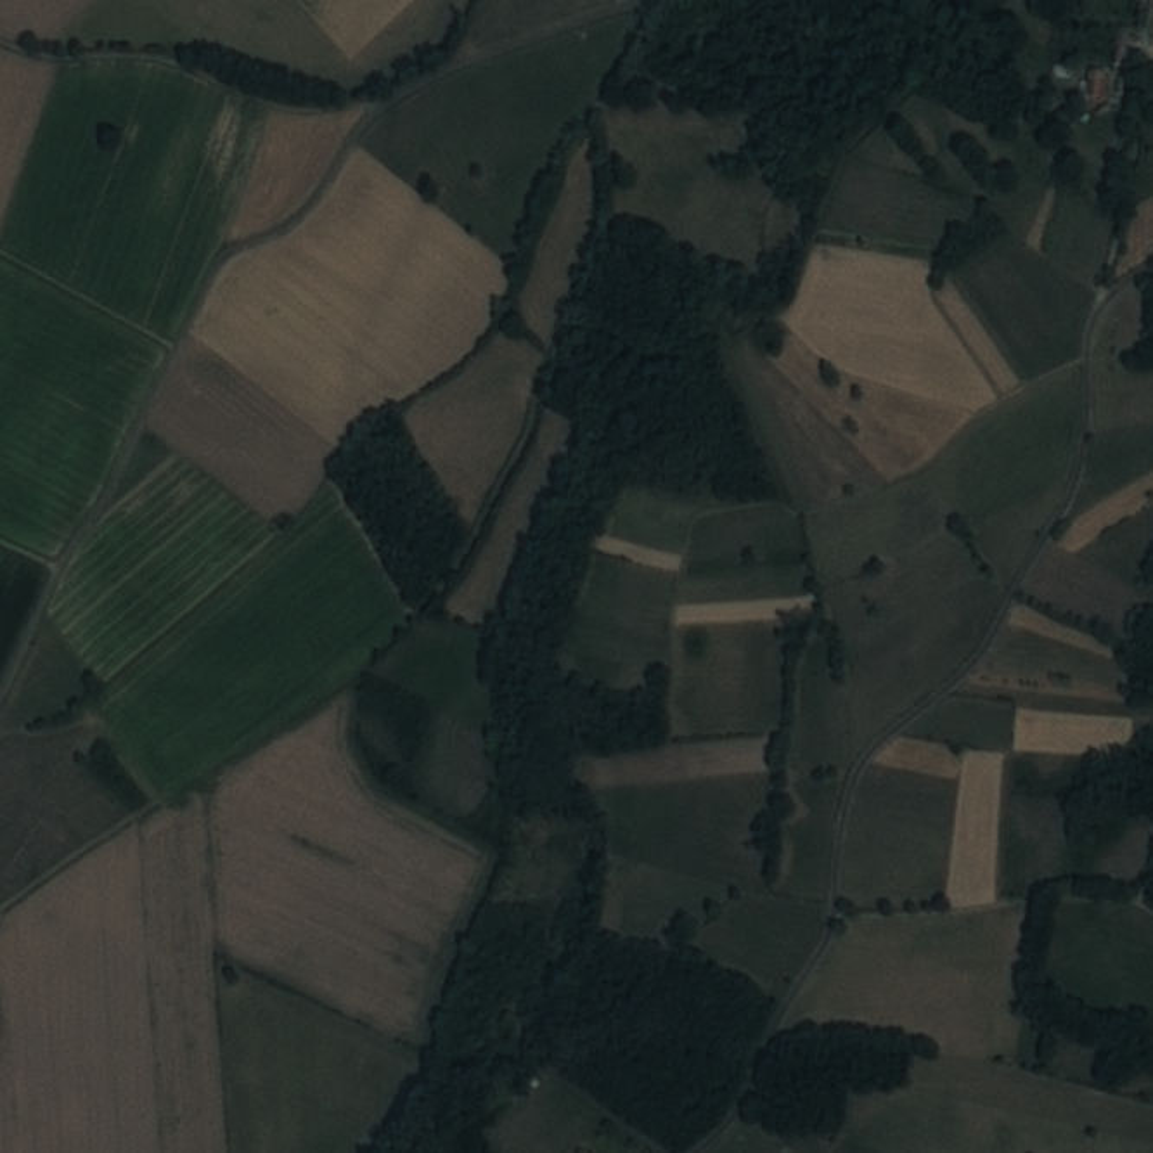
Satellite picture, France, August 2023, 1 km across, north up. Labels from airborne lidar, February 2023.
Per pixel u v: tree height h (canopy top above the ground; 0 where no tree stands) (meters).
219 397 0
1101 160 0
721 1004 17
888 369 0
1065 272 0
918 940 0
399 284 0
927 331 0
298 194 0
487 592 0
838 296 0
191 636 0
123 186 0
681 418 16
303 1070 0
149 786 0
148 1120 0
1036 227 0
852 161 0
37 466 0
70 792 0
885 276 0
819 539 0
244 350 0
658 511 0
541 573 19
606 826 18
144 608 0
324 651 0
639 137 0
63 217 0
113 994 0
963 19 24
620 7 0
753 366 0
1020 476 0
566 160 15
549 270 0
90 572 0
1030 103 18
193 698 0
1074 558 0
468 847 0
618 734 16
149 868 0
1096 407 0
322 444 0
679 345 16
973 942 0
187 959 0
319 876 0
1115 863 0
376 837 0
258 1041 0
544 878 0
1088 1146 0
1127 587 0
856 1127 0
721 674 0
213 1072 0
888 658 0
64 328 0
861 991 0
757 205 0
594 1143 0
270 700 0
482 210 0
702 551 0
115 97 0
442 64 16
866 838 0
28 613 0
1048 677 0
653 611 0
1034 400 0
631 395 15
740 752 0
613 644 0
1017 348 0
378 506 19
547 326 0
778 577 0
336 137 0
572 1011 17
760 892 0
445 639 0
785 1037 11
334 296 0
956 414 0
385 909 0
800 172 26
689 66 14
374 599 0
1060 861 0
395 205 0
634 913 0
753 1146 0
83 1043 0
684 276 17
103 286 0
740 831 0
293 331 0
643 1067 21
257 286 0
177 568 0
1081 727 0
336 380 0
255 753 0
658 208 0
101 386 0
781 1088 20
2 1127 0
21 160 0
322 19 0
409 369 0
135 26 0
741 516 0
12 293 0
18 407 0
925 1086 0
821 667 0
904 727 0
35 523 0
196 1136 0
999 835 0
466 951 13
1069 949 0
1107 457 0
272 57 0
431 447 0
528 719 14
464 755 0
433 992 0
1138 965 0
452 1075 17
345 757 0
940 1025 0
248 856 0
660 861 0
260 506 0
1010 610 0
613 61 0
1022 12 0
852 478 0
